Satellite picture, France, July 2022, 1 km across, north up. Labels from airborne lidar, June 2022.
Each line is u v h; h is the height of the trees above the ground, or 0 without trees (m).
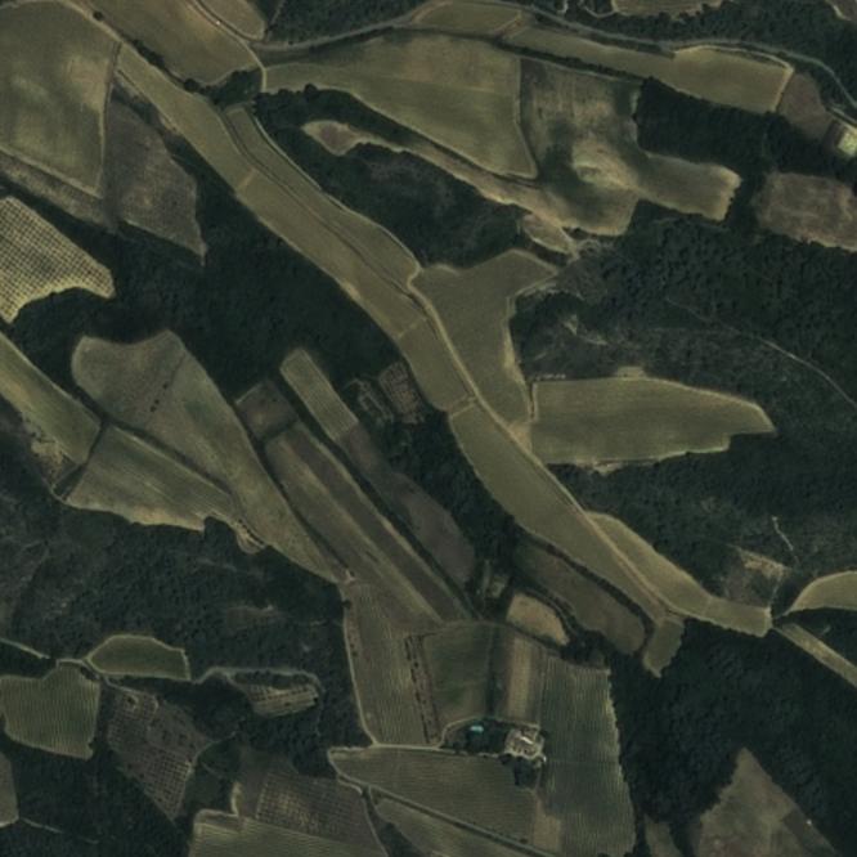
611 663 11
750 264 9
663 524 12
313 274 7
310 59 0
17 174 0
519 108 0
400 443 12
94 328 10
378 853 0
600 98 0
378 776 0
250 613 0
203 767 9
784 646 11
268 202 0
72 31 0
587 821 0
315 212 0
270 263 12
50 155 0
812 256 10
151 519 0
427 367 0
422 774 0
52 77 0
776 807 0
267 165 0
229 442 0
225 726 7
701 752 9
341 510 0
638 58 0
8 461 7
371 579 0
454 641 0
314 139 6
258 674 10
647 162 0
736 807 0
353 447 0
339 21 11
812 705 6
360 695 0
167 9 0
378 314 0
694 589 0
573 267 0
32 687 0
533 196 0
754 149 12
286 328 18
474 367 0
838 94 8
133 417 0
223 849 0
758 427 0
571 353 0
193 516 0
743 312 11
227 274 10
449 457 15
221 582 12
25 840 9
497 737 8
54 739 0
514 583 13
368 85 0
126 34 0
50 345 6
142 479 0
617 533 0
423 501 0
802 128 0
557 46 0
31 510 10
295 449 0
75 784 8
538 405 0
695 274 10
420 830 0
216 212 10
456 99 0
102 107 0
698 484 10
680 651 8
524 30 0
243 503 0
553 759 0
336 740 10
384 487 0
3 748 8
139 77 0
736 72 0
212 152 0
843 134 0
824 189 0
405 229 7
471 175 0
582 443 0
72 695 0
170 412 0
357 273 0
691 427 0
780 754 13
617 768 0
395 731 0
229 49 0
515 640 0
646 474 7
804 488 7
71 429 0
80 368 0
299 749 21
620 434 0
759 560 0
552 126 0
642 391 0
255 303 9
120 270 6
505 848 0
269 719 6
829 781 7
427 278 0
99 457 0
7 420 0
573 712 0
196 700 11
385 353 6
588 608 0
